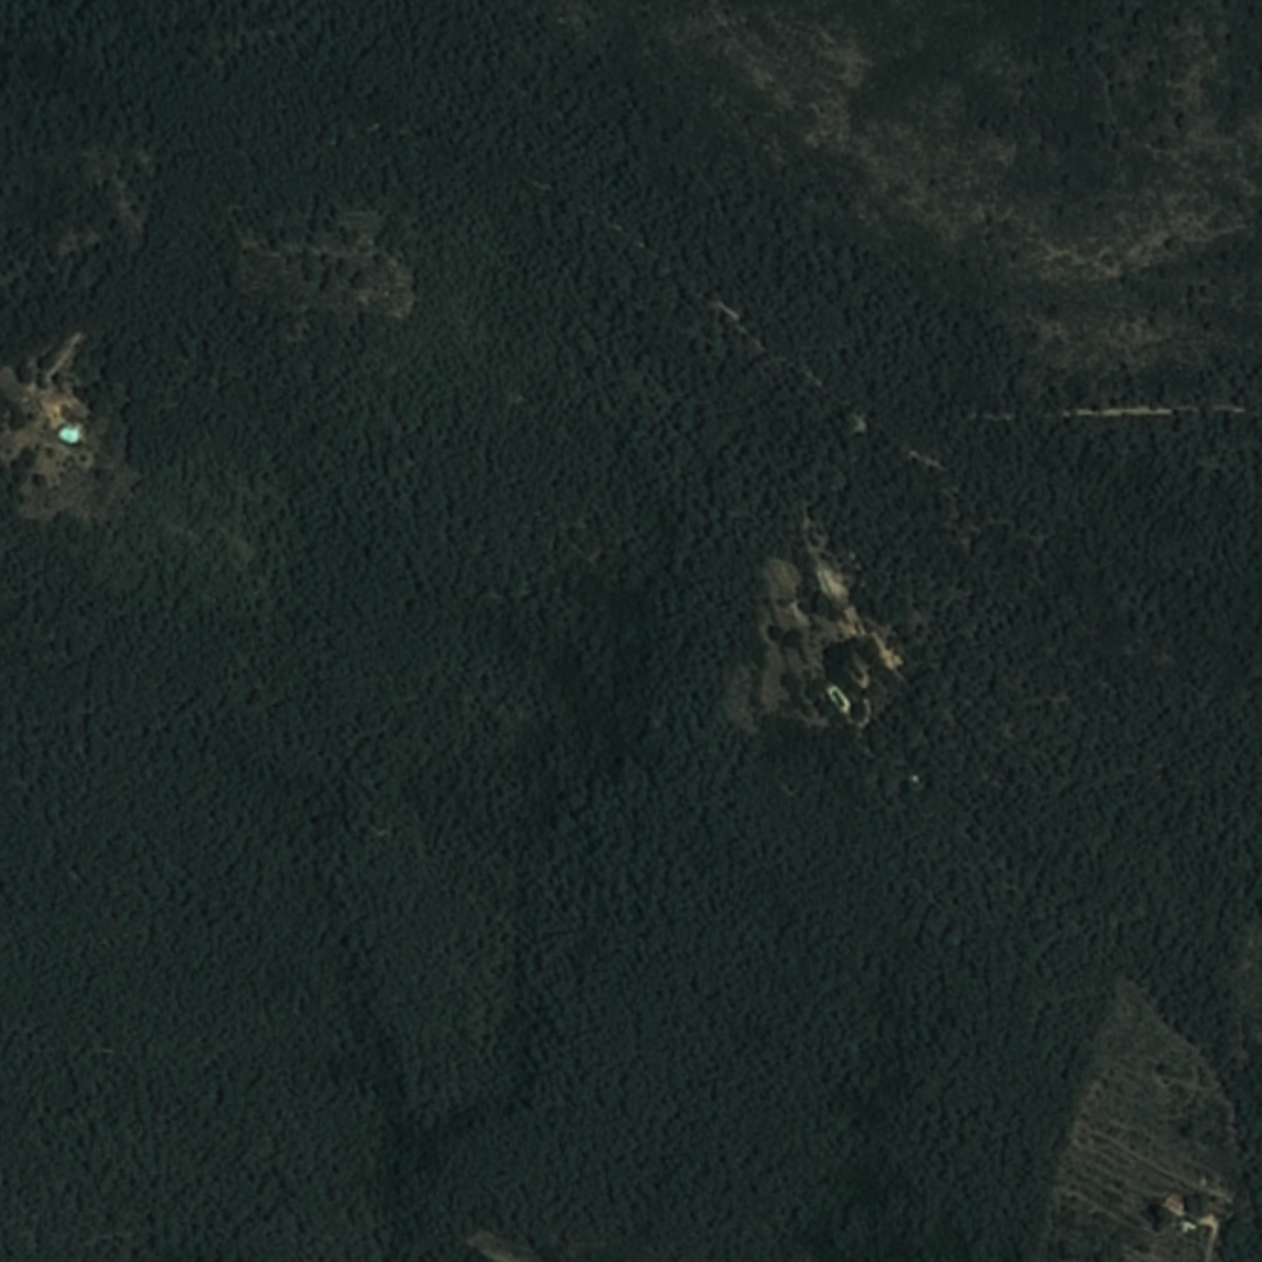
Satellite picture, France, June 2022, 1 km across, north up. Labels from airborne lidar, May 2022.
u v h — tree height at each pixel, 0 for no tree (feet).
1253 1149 63
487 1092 69
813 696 26
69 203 36
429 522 62
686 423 63
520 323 46
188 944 65
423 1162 47
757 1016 53
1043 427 57
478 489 63
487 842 59
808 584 26
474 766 56
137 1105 57
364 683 50
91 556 25
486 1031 59
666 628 46
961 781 57
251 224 43
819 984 65
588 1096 71
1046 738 53
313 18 58
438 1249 42
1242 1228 66
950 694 46
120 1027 57
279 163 51
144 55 62
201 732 69
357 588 61
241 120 40
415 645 54
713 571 62
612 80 18
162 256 52
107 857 59
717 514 61
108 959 50
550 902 37
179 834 60
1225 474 55
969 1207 60
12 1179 61
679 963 62
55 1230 55
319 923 62
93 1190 62
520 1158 58
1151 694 43
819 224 19
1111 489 35
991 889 43
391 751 57
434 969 49
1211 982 52
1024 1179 34
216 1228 57
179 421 56
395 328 27
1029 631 60
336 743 63
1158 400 37
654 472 58
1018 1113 59
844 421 45
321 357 52
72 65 51
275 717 43
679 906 61
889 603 47
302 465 44
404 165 54
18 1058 57
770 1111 51
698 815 61
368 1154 73
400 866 57
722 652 62
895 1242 53
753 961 54
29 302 28
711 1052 74
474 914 62
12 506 40
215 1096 72
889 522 52
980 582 37
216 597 39
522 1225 67
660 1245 51
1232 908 55
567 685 31
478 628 56
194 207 53
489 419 45
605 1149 66
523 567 53
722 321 35
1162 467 66
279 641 38
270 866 70
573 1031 57
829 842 59
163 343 52
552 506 68
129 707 67
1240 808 64
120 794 64
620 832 45
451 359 29
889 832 46
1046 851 39
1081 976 51
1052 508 45
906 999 66
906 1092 54
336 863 76
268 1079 66
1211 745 53
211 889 62
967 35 18
